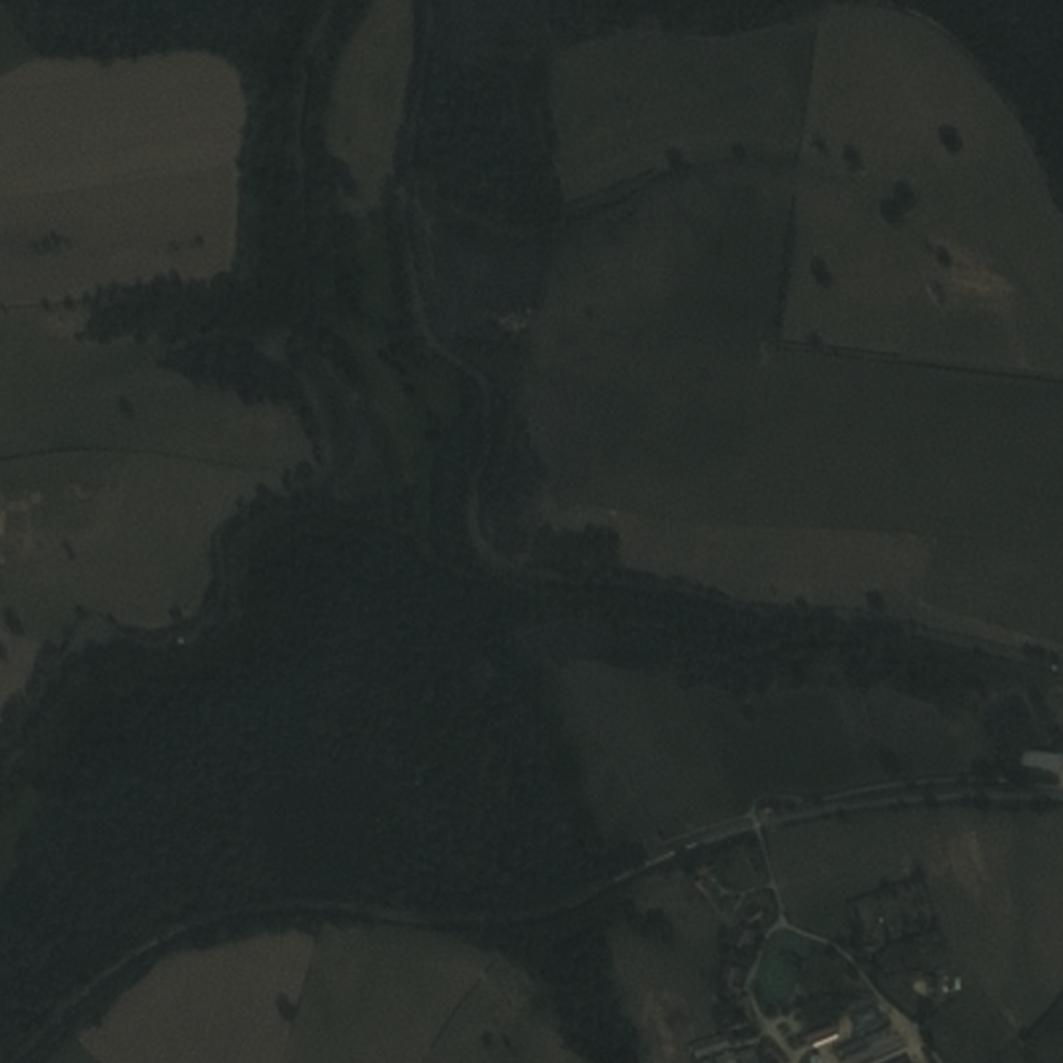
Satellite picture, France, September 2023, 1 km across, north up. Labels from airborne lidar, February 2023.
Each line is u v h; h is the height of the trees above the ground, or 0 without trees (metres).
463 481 17
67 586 0
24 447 0
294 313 9
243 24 19
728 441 0
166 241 0
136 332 10
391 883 7
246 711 22
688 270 0
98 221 0
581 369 0
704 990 0
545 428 0
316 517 13
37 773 13
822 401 0
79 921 13
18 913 7
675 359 0
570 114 0
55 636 0
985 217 0
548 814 14
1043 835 0
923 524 0
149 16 24
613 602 23
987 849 0
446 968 0
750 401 0
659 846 0
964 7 18
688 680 8
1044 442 0
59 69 0
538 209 10
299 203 12
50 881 24
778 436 0
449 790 12
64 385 0
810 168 0
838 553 0
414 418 0
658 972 0
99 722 21
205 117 0
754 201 0
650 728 0
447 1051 0
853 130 0
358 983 0
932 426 0
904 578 0
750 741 0
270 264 12
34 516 0
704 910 0
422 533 0
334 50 13
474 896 20
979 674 0
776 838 0
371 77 0
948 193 0
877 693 0
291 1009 14
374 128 0
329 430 0
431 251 0
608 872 9
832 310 0
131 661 16
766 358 0
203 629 13
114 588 0
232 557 17
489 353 9
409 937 0
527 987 0
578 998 22
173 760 15
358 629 14
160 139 0
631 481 0
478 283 0
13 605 0
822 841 0
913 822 0
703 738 0
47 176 0
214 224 0
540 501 0
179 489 0
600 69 0
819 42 0
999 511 0
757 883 0
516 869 20
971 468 0
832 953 13
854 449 0
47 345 0
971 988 0
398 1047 0
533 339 0
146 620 0
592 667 0
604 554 14
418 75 9
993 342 0
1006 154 0
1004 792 0
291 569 24
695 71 0
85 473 0
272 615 17
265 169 11
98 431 0
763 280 0
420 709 14
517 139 12
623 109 0
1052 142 20
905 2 7
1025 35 21
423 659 19
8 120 0
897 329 0
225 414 0
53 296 0
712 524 0
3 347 0
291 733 24
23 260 0
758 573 0
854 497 0
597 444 0
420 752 19
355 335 0
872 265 0
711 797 0
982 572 0
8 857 0
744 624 7
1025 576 0
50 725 16
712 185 0
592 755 0
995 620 0
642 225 0
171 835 14
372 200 0
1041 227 0
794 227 6
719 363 0
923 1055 0
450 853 27
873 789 0
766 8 10
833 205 0
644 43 0
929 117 0
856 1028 0
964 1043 0
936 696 0
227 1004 0
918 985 0
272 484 0
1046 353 0
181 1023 0
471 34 0
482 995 0
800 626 18
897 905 0
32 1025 13
